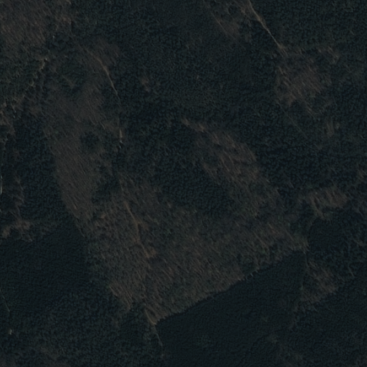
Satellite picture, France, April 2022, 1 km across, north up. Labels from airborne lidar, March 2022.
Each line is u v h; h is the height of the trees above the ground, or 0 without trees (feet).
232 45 42
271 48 101
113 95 84
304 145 90
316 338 65
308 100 88
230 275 63
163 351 31
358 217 29
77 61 54
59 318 81
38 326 81
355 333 66
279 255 83
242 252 68
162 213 67
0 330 78
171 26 66
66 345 86
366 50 74
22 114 98
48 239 53
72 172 85
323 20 50
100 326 83
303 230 74
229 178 84
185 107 85
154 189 75
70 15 84
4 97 70
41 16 93
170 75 84
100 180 62
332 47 44
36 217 81
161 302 99
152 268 111
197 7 62
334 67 63
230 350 61
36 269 54
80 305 96
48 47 42
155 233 87
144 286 95
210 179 78
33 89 52
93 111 84
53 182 85
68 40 101
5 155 27
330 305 83
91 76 66
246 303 60
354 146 69
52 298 54
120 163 104
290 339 74
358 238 84
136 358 45
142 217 113
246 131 88
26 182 37
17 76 70
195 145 92
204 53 66
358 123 84
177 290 66
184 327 65
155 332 100
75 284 54
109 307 74
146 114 54
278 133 113
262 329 50
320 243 28
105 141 71
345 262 24
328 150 56
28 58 75
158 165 85
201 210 56
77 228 46
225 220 81
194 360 72
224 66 70
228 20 92
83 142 75
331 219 53
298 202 93
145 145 28
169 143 27
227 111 85
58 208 64
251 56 42
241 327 58
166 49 80
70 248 53
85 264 57
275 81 77
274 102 71
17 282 57
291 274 56
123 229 97
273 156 100
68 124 72
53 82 95
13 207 51
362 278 69
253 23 32
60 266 55
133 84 93
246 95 87
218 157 88
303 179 61
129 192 98
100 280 67
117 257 100
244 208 69
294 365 67
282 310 63
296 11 90
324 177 52
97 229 94
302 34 67
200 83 81
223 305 66
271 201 85
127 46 71
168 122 101
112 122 64
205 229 86
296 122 73
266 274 56
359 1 68
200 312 54
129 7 54
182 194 91
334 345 72
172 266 118
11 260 45
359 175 93
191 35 54
